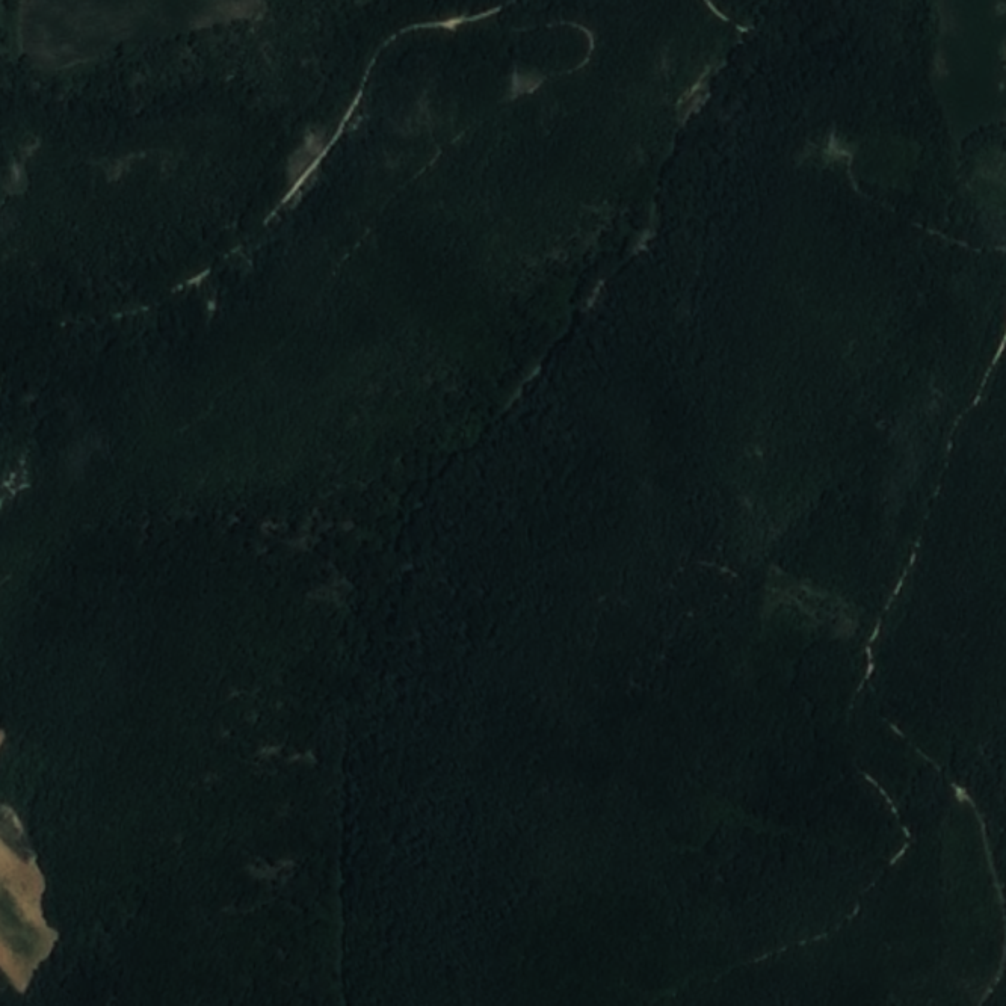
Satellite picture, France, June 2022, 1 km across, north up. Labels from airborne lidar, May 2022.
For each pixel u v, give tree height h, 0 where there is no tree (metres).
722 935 11
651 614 12
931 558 8
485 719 10
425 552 22
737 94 17
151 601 12
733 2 11
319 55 17
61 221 10
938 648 11
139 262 15
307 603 19
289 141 15
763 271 7
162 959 11
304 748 20
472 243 8
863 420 18
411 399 11
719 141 14
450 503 21
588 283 22
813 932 8
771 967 7
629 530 11
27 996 8
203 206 11
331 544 24
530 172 7
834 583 12
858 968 7
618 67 7
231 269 6
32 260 10
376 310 9
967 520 12
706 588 13
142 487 11
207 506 16
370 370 6
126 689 11
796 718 13
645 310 11
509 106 7
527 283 12
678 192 17
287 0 10
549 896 14
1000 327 8
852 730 8
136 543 20
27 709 13
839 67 11
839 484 9
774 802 17
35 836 15
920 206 19
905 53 7
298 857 20
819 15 19
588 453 12
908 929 6
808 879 10
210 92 10
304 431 6
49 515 8
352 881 23
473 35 10
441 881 12
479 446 11
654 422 13
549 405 11
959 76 0
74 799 9
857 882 9
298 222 10
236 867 19
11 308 21
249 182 11
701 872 14
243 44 7
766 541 8
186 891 13
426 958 9
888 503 10
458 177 7
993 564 11
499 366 8
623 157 7
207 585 14
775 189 8
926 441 8
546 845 9
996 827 10
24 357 18
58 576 18
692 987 10
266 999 20
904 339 13
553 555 13
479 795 11
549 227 9
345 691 22
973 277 7
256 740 18
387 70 7
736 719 16
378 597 20
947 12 0
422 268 8
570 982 10
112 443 9
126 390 10
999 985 8
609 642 12
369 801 16
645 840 12
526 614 11
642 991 8
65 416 10
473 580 13
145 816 9
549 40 7
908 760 7
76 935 19
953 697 9
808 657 14
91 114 15
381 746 16
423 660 17
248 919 19
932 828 8
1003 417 7
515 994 10
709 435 9
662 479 12
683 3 10
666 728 15
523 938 13
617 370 9
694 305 9
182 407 8
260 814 17
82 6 0
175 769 9
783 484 10
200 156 10
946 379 7
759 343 9
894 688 14
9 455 6
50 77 7
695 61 10
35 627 18
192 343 12
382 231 10
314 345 9
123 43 7
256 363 7
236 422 9
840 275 9
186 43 13
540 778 10
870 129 13
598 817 11
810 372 9
